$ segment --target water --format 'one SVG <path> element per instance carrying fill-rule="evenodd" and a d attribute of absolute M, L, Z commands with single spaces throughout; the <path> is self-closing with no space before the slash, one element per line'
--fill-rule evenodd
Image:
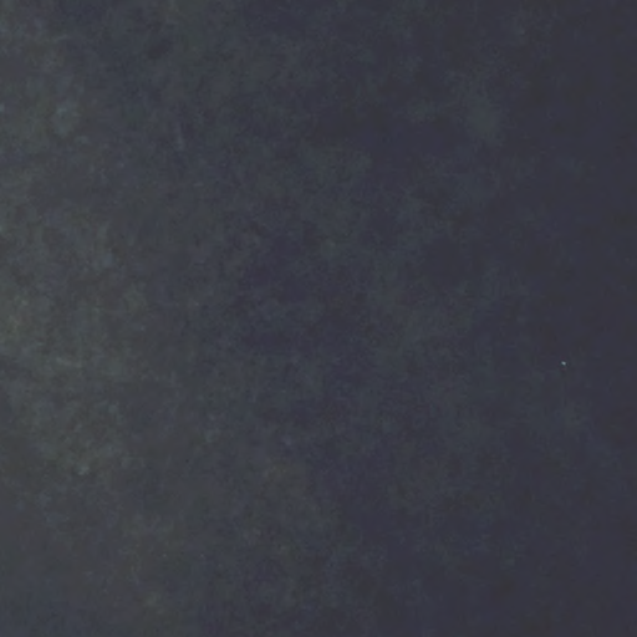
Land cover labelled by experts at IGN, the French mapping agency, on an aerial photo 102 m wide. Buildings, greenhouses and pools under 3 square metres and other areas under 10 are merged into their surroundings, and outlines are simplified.
<path fill-rule="evenodd" d="M 637 0 L 0 0 L 0 637 L 637 637 Z"/>

